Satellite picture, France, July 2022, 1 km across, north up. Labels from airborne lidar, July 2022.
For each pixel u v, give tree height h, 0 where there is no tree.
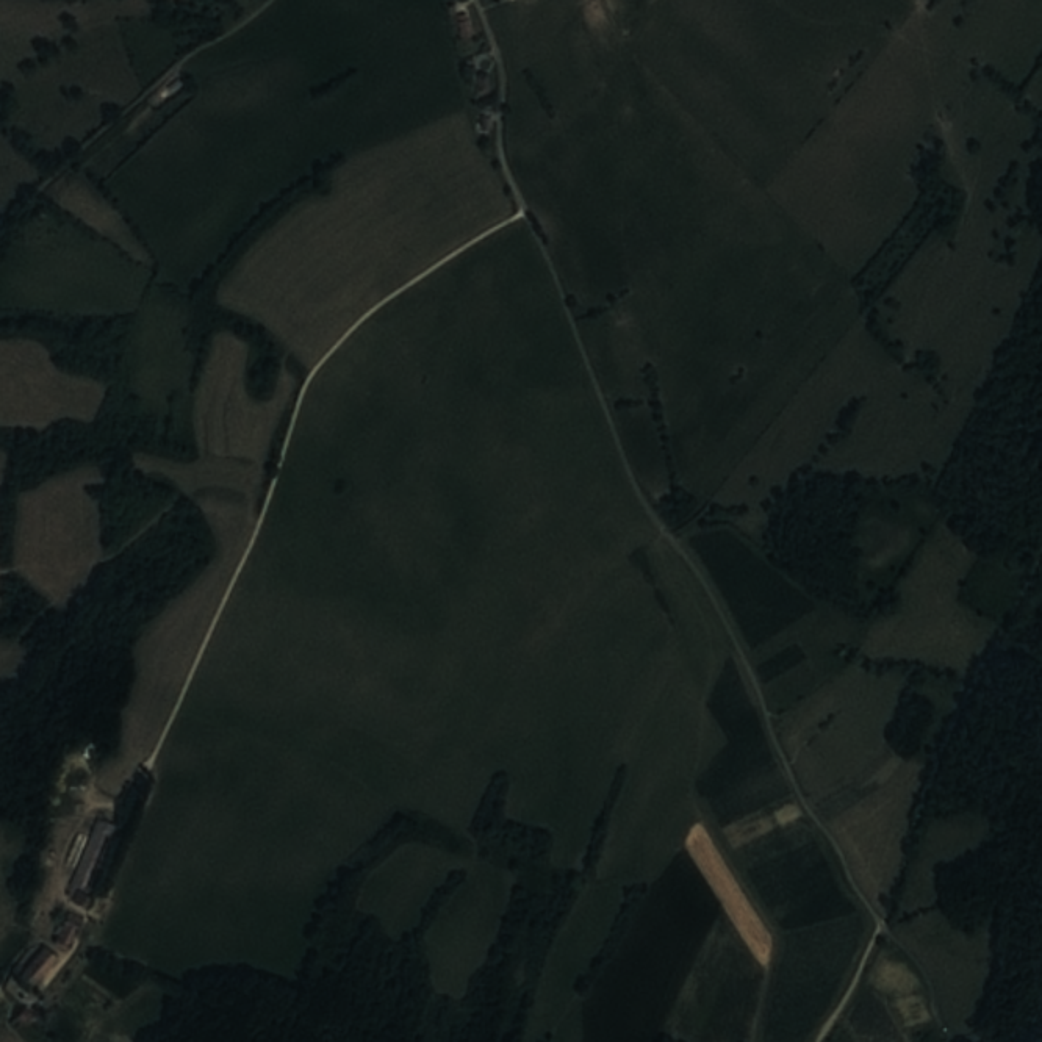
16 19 0
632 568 0
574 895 6
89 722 14
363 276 0
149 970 14
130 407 8
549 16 0
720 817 0
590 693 0
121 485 9
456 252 0
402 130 0
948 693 0
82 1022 0
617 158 0
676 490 12
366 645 0
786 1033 0
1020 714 21
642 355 0
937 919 0
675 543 0
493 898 0
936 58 0
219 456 0
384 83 0
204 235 0
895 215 0
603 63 0
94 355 12
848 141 0
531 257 0
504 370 0
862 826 0
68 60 0
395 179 0
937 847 0
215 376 0
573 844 0
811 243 0
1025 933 17
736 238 0
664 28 0
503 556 0
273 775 0
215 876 0
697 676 0
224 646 0
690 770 0
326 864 0
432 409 0
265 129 0
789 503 15
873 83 0
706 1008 0
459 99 0
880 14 0
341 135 0
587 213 0
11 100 17
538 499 0
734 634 0
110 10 0
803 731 0
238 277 0
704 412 0
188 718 0
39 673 16
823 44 0
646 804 0
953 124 0
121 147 0
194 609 0
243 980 21
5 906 0
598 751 0
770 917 0
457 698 0
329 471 0
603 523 0
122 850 16
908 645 0
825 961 0
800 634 0
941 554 0
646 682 0
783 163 0
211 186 0
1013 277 0
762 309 0
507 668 0
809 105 0
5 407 0
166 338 0
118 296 0
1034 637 16
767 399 0
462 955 0
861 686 0
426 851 0
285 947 0
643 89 0
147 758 0
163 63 0
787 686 0
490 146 9
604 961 10
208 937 0
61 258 0
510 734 0
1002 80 14
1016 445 11
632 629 0
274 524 0
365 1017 14
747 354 0
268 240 0
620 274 0
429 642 0
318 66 0
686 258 0
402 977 8
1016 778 24
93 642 17
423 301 0
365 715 0
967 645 0
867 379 0
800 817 0
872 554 0
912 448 0
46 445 10
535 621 0
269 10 0
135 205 0
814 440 0
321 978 15
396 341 0
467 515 0
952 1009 0
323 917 10
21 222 8
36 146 11
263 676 0
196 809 0
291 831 0
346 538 0
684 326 0
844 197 0
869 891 0
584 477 0
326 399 0
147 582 8
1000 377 8
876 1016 0
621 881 0
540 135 0
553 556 0
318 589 0
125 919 0
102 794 0
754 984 0
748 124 0
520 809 0
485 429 0
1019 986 22
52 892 0
